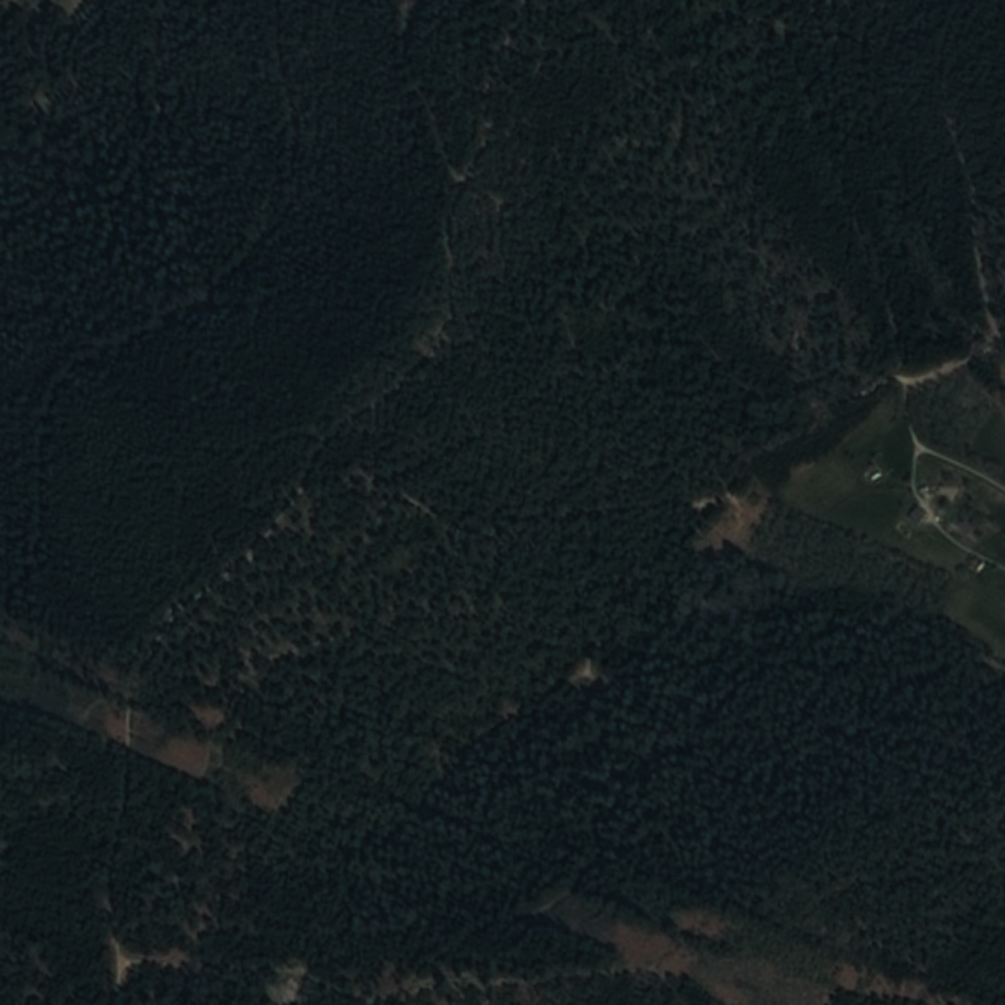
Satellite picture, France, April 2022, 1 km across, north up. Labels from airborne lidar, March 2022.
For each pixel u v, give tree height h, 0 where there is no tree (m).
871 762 33
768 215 27
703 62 26
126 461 14
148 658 17
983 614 0
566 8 13
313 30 19
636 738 27
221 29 21
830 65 33
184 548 14
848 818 26
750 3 27
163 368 22
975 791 13
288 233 17
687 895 21
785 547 14
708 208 8
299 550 22
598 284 8
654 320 9
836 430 9
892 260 24
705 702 32
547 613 16
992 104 18
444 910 19
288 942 14
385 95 22
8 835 9
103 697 20
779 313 27
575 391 24
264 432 22
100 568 15
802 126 21
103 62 27
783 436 25
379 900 32
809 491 0
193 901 20
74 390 13
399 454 26
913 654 31
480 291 22
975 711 30
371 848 20
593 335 6
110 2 24
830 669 23
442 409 25
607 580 33
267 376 19
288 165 23
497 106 20
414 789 25
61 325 20
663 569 31
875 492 0
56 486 15
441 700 30
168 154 28
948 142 17
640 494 24
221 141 24
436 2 21
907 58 17
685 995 13
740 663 27
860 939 27
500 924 11
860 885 33
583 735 28
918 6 20
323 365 16
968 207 16
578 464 24
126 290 30
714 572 34
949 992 14
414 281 16
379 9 19
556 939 16
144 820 22
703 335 23
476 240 21
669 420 25
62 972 13
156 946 6
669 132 20
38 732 19
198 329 13
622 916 16
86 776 17
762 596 24
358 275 18
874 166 25
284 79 16
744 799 25
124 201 11
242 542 18
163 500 15
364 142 17
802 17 23
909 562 9
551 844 15
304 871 15
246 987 9
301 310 22
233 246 27
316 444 16
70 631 17
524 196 21
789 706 26
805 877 26
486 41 9
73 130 11
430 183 17
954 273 17
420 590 27
